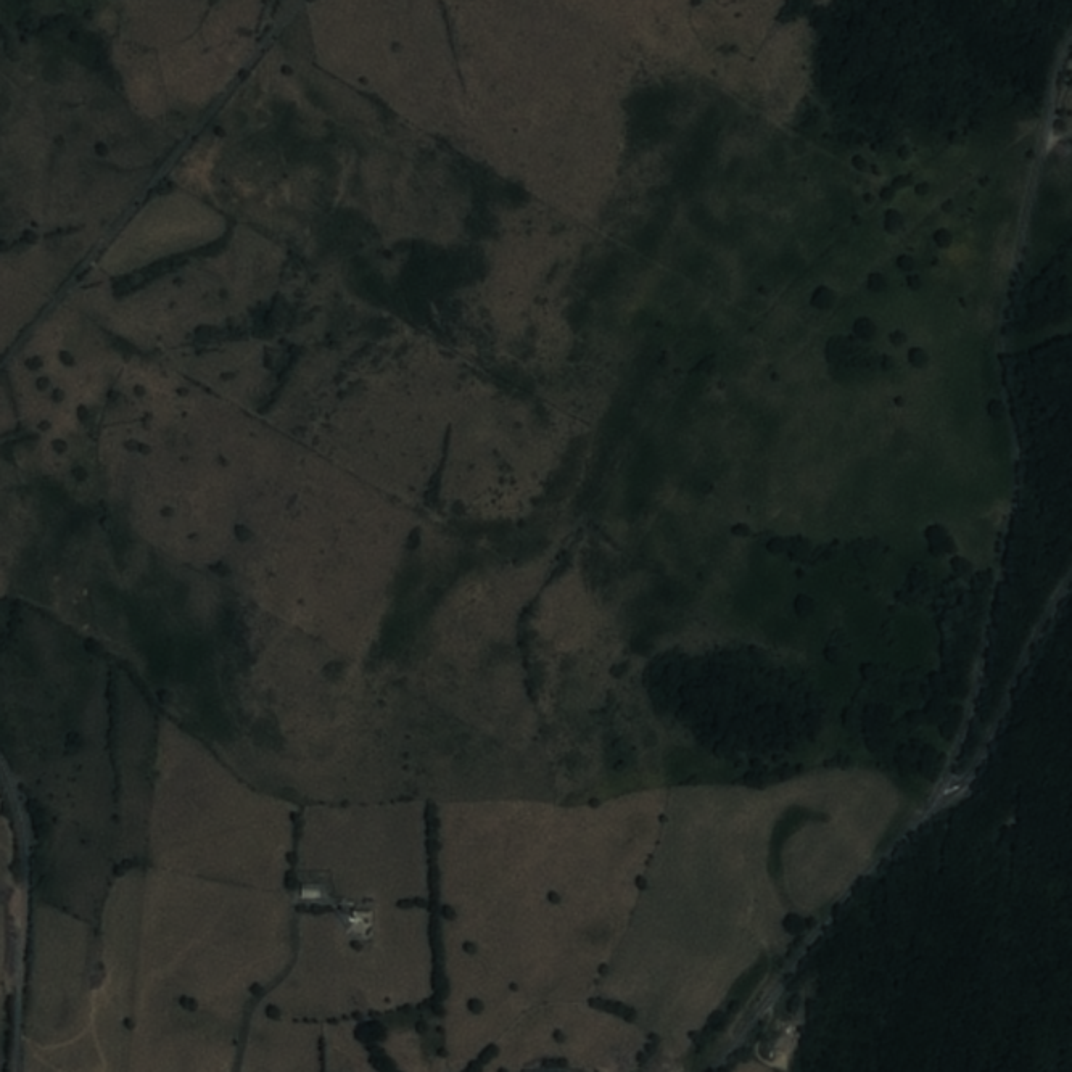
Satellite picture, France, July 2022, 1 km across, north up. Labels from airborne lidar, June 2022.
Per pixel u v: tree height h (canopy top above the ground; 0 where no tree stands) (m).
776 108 0
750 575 0
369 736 0
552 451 0
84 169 0
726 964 0
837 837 0
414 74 0
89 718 0
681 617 0
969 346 0
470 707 0
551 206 0
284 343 7
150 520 0
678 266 0
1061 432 18
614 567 0
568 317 0
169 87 0
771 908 0
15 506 0
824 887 0
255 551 0
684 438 0
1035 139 0
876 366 10
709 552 0
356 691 0
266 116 0
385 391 0
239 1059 0
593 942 0
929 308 0
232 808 0
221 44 0
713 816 0
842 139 12
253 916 0
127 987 0
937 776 13
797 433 0
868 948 10
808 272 0
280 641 0
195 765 0
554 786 0
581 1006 0
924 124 7
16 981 0
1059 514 22
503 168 0
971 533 0
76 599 0
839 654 15
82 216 0
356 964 0
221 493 0
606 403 0
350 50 0
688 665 13
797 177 0
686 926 0
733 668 7
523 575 0
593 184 0
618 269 0
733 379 0
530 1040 0
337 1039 0
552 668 0
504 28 0
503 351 0
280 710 0
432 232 0
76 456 0
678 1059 0
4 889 0
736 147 0
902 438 0
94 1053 0
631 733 0
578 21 0
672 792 0
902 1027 14
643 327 0
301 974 0
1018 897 12
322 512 0
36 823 11
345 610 0
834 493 0
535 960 0
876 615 0
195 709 0
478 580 0
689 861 0
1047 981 18
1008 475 0
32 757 0
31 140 0
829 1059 11
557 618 0
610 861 0
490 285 0
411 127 0
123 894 0
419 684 0
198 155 0
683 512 0
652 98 0
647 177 0
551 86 0
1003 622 21
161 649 0
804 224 0
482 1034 0
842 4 8
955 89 8
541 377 0
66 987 0
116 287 7
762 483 0
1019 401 16
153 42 0
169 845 0
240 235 0
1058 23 9
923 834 15
